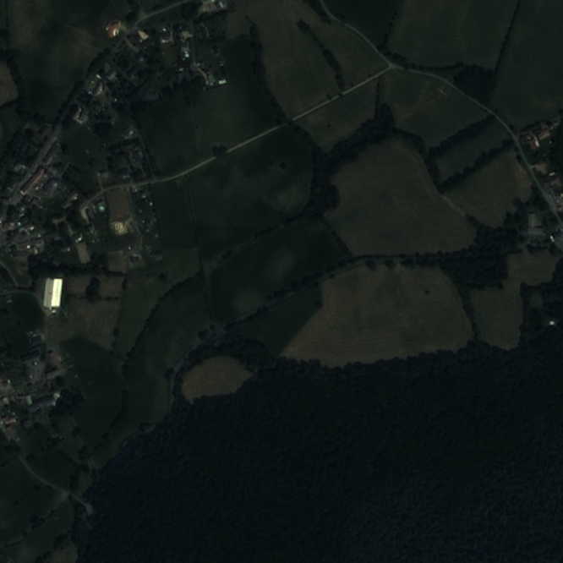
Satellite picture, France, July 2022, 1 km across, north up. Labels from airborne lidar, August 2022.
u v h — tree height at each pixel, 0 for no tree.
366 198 0
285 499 22
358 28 0
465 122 0
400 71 0
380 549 22
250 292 0
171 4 0
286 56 0
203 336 15
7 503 0
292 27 0
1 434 9
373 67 0
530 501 21
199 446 32
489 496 25
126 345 0
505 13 0
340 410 20
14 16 0
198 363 12
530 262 0
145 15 0
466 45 0
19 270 0
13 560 0
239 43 0
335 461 18
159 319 0
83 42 0
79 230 6
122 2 0
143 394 0
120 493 27
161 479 30
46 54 0
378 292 0
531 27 0
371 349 0
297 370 24
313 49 0
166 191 0
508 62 0
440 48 0
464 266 22
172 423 22
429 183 0
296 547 28
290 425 23
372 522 19
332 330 0
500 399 23
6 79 0
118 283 0
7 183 6
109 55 13
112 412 0
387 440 21
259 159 0
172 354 0
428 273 0
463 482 20
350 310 0
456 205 0
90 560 30
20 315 0
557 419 24
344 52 0
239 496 23
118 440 0
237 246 0
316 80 0
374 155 0
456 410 23
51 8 0
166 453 31
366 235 0
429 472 21
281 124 12
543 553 25
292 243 0
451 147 19
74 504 11
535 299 0
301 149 0
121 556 24
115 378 0
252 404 28
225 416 22
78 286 0
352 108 0
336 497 22
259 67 20
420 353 0
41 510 0
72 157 0
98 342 0
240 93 0
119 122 0
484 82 23
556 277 17
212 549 25
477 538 19
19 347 0
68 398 24
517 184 0
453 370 23
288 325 0
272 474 22
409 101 0
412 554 22
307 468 23
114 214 0
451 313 0
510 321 0
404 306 0
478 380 16
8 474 0
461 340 0
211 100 0
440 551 21
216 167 0
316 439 24
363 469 27
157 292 0
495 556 14
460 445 21
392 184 0
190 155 0
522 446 22
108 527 24
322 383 28
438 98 0
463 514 23
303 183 0
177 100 0
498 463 21
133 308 0
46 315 0
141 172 14
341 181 0
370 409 18
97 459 0
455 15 0
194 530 23
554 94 0
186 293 0
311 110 0
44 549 0
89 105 11
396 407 22
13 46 0
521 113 0
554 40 0
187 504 21
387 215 0
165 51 0
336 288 0
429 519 15
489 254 19
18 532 0
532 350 26
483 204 0
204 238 0
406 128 0
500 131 0
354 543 20
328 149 0
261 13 0
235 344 15
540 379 24
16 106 6
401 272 0
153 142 0
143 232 0
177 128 0
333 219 0
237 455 26
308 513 23
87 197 9
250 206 0
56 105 0
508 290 0
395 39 0
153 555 30
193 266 0
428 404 22
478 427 24
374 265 17
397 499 22
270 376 24
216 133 0
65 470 0
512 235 19
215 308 0
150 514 24
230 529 22
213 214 0
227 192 0
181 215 0
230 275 0
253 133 0
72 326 0
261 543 26
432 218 0
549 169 0
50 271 26
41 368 0
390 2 0
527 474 15
